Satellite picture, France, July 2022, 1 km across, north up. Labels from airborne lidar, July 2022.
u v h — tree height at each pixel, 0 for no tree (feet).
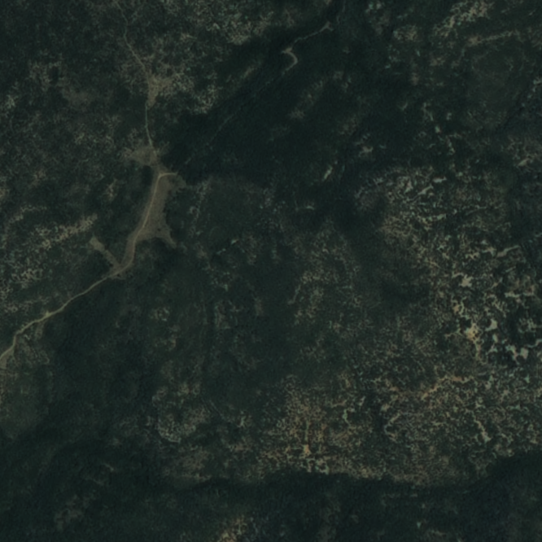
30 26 23
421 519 26
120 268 0
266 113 27
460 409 21
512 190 18
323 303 19
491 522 19
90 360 23
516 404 21
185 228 0
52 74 17
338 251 0
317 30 20
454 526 21
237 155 18
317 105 17
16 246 0
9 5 20
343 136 19
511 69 0
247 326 19
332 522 22
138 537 18
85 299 22
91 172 0
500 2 0
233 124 19
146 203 0
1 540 21
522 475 26
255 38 23
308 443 18
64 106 19
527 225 22
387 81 25
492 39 0
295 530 24
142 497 18
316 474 19
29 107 18
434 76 0
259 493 22
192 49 18
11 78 21
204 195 0
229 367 0
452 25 0
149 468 20
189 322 0
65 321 28
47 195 18
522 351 0
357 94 19
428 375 21
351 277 0
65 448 33
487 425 24
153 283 22
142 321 18
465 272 20
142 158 0
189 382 19
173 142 17
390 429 21
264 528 20
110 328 17
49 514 19
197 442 19
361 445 19
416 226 19
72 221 0
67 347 20
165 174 0
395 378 17
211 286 0
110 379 19
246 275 0
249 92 29
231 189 0
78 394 20
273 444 22
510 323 25
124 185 20
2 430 18
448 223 19
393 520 18
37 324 0
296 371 0
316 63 22
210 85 22
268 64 33
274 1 20
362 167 18
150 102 0
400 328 0
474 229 22
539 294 18
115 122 0
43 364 29
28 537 19
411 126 18
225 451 20
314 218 20
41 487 25
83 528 25
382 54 22
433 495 24
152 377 17
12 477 22
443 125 18
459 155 25
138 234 0
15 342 0
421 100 22
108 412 25
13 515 20
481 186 18
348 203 19
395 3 25
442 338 21
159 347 0
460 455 24
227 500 20
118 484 23
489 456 18
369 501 26
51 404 35
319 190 19
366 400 23
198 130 27
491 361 19
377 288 18
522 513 19
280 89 25
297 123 17
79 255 0
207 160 18
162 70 0
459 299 23
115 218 21
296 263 0
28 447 36
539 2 20
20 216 0
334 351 19
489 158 23
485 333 26
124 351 19
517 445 24
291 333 0
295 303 0
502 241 26
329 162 20
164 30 18
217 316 0
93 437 21
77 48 23
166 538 18
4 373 0
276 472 18
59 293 0
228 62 18
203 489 21
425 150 18
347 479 22
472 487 23
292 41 29
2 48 17
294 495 20
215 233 0
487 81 0
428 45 20
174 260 26
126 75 0
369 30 24
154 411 17
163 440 19
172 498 19
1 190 0
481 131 20
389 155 17
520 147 23
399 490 26
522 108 25
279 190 20
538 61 23
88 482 22
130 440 25
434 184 30
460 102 22
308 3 19
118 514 23
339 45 22
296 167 18
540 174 29
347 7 21
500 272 19
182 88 0
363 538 29
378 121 18
